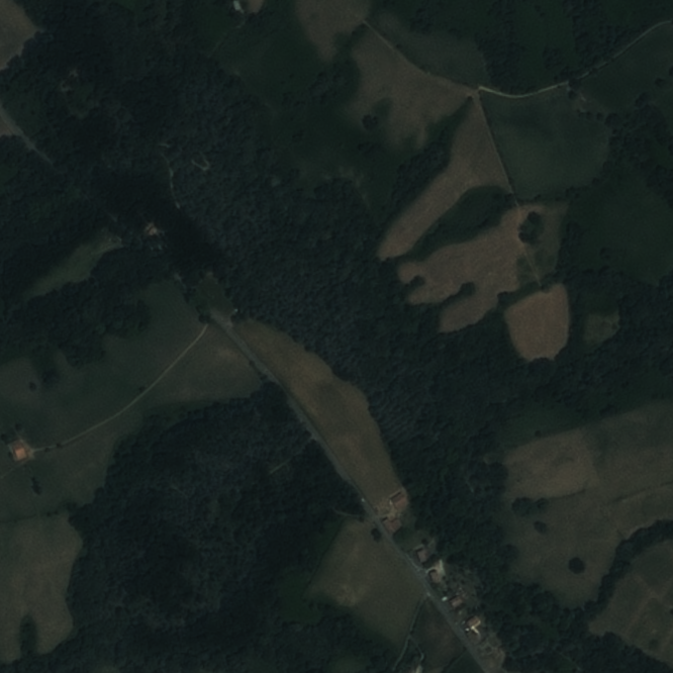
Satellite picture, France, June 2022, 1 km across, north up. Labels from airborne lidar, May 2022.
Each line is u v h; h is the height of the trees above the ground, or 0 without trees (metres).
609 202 0
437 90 0
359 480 0
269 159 22
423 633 0
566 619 25
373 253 8
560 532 0
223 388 0
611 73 0
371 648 16
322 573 0
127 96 35
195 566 10
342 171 0
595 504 0
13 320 15
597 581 0
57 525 0
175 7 18
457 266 0
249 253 19
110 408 0
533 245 7
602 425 0
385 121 0
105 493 20
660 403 0
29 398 0
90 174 10
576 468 0
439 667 0
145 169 6
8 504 0
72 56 28
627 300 23
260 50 0
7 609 0
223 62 0
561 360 12
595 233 0
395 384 26
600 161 0
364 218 12
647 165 18
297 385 0
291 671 11
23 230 25
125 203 22
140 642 29
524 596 26
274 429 19
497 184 0
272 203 20
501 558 26
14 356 0
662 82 14
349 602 0
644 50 0
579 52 9
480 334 9
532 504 13
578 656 17
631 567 16
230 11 10
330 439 0
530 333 0
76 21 30
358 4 0
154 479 13
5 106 6
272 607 14
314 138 0
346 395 0
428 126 0
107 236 0
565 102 0
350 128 0
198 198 21
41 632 0
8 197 13
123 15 20
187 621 21
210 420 18
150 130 33
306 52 0
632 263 0
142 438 13
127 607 19
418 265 0
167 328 0
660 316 18
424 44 0
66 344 14
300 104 12
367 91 0
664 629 0
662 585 0
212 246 12
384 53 0
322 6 0
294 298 21
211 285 0
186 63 21
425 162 16
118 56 24
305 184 0
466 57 0
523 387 21
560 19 0
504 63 11
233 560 11
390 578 0
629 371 17
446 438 29
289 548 32
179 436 31
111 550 23
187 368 0
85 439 0
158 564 27
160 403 0
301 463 10
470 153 0
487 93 0
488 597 20
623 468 0
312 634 20
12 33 0
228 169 16
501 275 0
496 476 24
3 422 0
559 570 0
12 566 0
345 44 0
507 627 20
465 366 17
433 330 10
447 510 28
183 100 22
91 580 29
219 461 22
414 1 0
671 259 0
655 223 0
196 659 18
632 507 0
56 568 0
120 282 11
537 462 0
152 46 16
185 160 17
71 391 0
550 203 0
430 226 0
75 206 14
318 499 17
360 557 0
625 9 0
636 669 26
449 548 29
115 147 14
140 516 17
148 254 24
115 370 0
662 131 13
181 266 15
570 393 17
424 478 21
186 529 17
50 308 28
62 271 0
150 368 0
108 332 16
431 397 22
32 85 9
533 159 0
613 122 18
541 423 0
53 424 0
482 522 12
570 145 0
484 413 23
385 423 24
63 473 0
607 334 0
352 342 24
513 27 13
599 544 0
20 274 28
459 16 0
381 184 0
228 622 27
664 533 18
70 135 21
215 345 0
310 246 25
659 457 0
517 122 0
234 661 19
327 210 20
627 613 0
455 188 0
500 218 0
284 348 0
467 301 0
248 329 0
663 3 0
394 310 26
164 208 18
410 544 0
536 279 0
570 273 15
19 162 15
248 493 15
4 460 0
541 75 0
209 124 27
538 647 31
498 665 0
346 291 21
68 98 13
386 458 0
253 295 23
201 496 15
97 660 7
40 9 13
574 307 11
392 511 0
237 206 18
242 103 19
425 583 0
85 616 18
